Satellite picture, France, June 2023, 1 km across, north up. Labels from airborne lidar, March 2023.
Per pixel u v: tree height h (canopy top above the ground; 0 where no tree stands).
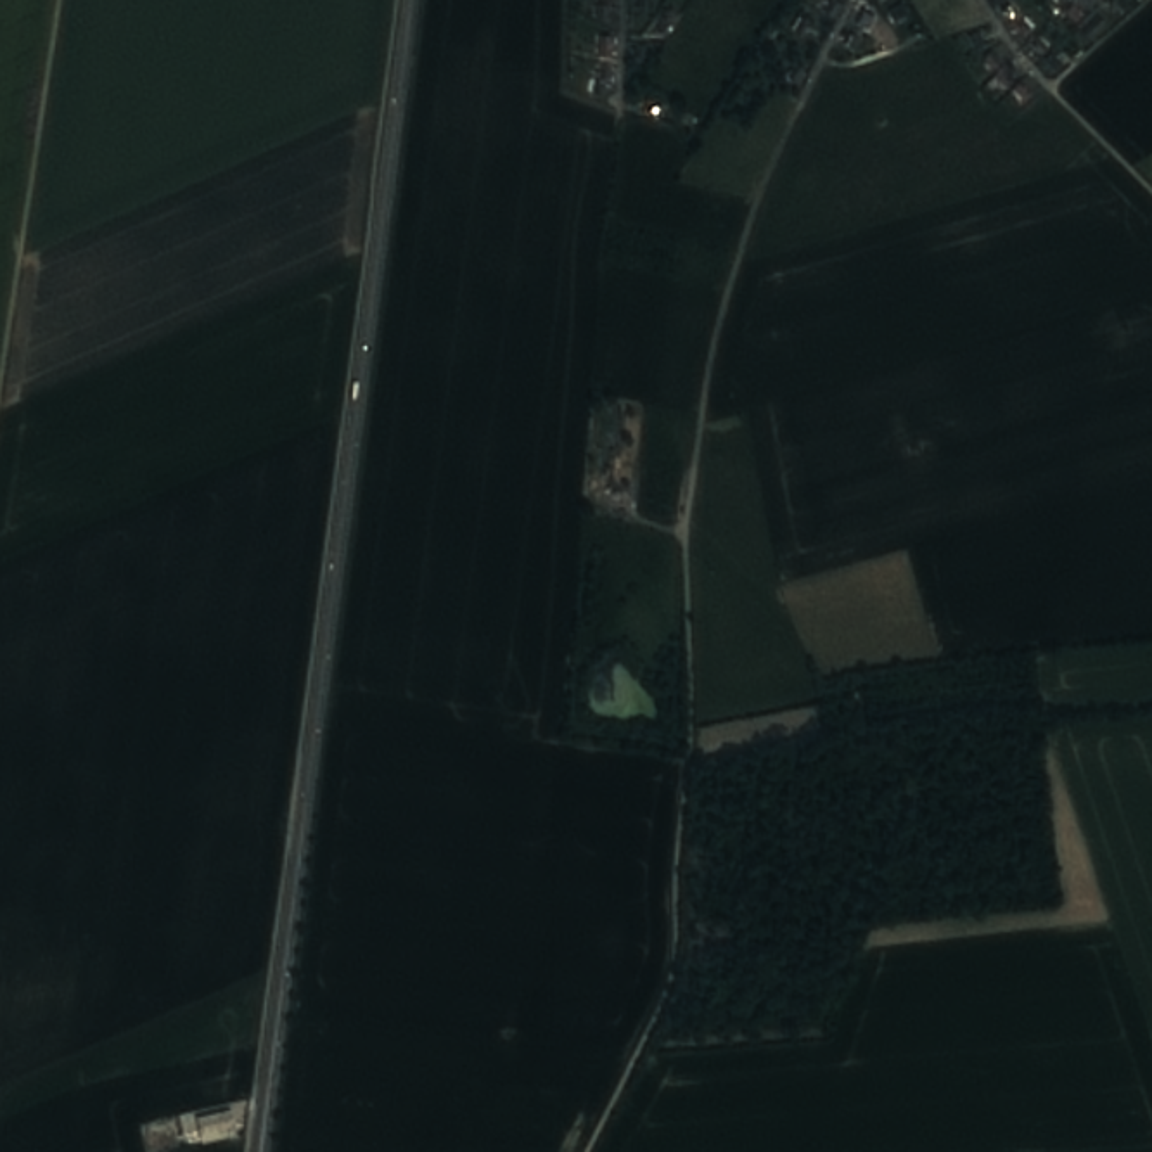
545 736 0
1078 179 0
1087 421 0
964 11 0
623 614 0
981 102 0
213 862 0
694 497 0
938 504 0
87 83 0
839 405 0
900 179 0
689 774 14
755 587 0
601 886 0
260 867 0
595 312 0
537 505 0
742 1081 0
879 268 0
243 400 0
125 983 0
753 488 0
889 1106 0
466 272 0
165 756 0
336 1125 0
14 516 0
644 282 0
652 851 0
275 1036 0
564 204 0
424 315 0
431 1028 0
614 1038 0
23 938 0
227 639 0
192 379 0
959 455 0
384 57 0
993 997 0
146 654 0
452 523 0
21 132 0
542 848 0
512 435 0
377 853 0
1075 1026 0
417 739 0
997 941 0
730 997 21
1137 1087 0
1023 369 0
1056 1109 0
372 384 0
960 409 0
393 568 0
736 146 0
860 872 20
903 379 0
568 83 0
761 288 0
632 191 0
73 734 0
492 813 0
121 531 0
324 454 0
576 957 0
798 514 0
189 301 0
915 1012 0
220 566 0
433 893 0
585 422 0
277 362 0
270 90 0
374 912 0
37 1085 0
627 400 0
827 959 20
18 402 0
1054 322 0
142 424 0
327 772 0
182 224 0
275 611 0
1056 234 0
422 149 0
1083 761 0
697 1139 0
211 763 0
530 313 0
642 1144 0
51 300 0
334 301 0
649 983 0
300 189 0
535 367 0
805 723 0
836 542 0
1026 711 16
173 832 0
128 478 0
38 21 0
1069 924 0
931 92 0
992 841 18
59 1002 0
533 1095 0
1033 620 0
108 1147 0
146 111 0
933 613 0
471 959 0
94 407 0
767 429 0
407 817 0
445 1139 0
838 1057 0
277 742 0
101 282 0
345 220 0
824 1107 0
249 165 0
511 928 0
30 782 0
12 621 0
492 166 0
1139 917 0
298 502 0
